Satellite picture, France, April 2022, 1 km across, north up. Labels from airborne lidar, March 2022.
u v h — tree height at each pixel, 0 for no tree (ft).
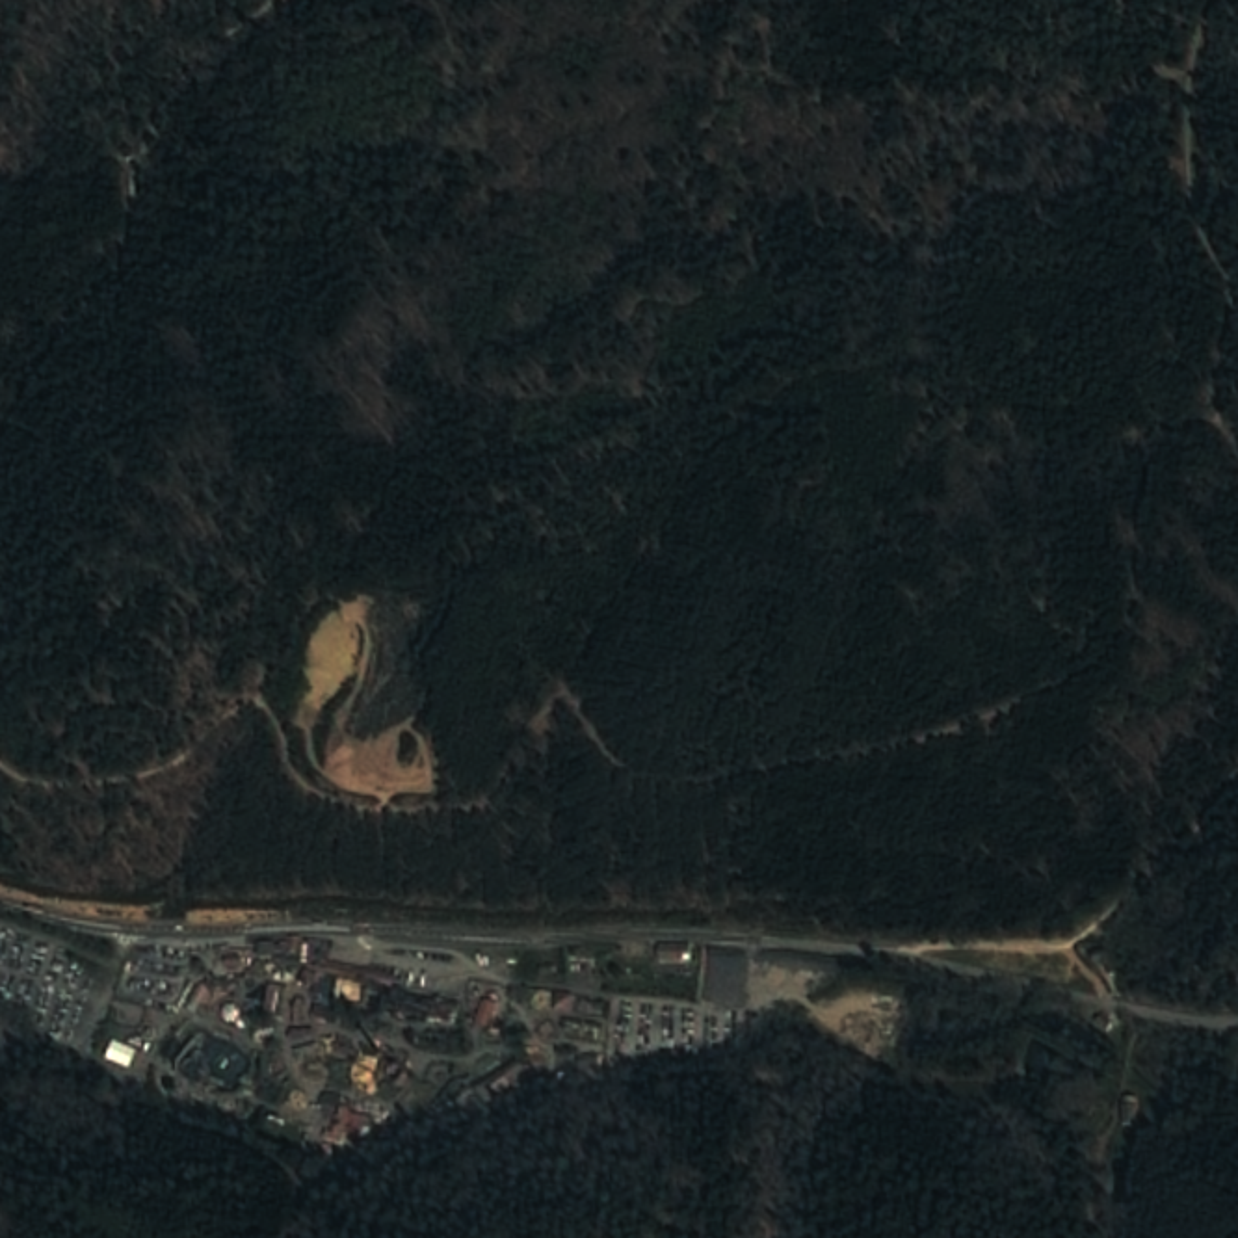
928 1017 62
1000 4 98
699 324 33
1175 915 25
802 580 55
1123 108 36
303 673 37
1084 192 47
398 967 0
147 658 43
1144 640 47
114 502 71
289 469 80
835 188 25
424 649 34
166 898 22
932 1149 64
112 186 78
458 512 72
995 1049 95
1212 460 64
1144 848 59
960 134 59
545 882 52
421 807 0
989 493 68
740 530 56
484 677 53
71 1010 0
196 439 60
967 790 38
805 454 71
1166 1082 0
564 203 28
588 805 49
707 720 49
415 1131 105
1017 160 104
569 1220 62
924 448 44
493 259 58
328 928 0
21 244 88
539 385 55
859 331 68
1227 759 88
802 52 75
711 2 30
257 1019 56
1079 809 41
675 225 44
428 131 28
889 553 58
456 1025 0
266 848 58
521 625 48
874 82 35
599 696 53
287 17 68
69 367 83
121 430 72
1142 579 63
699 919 19
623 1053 0
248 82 33
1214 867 95
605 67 38
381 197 91
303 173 42
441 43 83
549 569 48
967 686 30
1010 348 49
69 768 36
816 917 46
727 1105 68
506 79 28
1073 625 44
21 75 94
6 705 38
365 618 0
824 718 21
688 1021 0
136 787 49
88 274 71
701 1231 62
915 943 71
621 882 57
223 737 71
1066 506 95
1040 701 53
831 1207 96
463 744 46
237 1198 25
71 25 93
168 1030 0
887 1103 82
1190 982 87
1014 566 48
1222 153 96
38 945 0
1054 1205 102
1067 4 57
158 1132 78
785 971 0
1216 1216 65
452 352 49
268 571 83
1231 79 50
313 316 102
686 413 78
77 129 95
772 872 41
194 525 63
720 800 54
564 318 72
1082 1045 40
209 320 76
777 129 56
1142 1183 51
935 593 55
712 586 54
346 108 41
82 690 32
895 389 45
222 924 0
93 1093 90
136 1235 47
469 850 60
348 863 54
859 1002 0
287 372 71
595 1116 87
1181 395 72
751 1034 49
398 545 65
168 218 90
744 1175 86
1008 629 39
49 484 71
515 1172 73
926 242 35
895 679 29
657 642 48
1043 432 83
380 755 0
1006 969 0
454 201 36
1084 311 58
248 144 38
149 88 79
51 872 44
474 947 0
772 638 53
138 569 68
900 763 37
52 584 55
